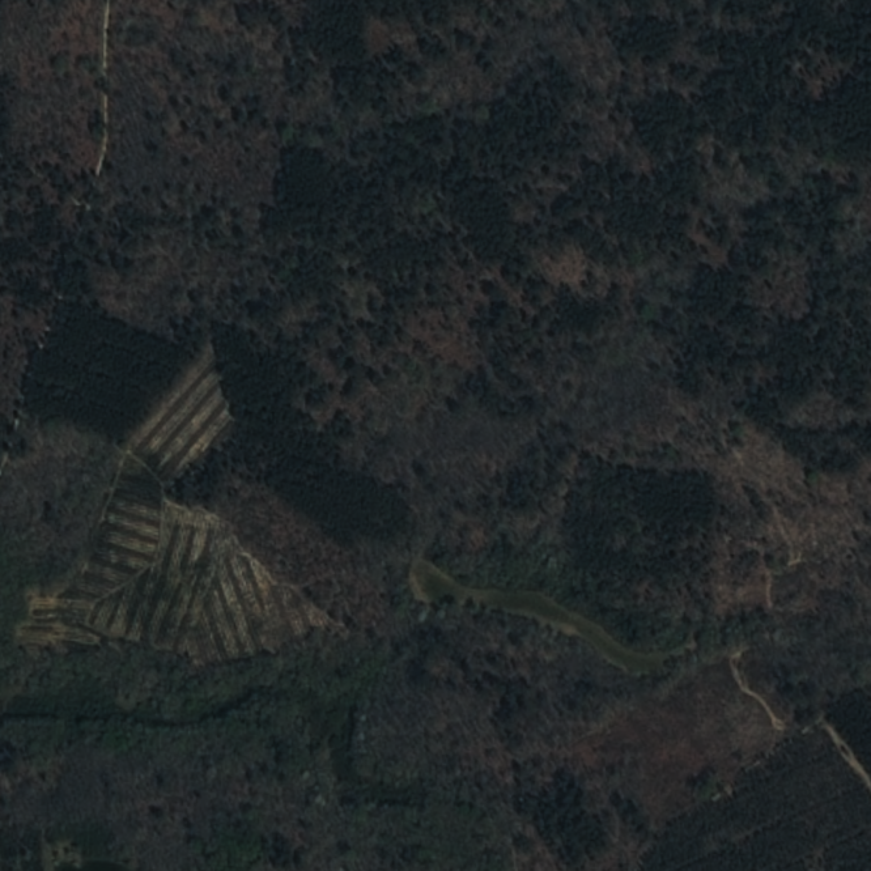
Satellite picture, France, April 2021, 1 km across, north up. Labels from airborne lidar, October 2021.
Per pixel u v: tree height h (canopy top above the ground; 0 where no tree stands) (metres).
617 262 19
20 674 18
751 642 9
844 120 27
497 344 14
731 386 20
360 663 20
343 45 23
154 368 18
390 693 19
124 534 0
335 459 16
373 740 19
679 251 21
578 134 19
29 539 15
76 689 8
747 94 17
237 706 10
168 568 0
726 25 13
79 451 21
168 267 8
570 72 15
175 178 11
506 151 22
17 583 19
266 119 14
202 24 19
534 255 13
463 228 16
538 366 15
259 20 25
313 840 13
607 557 17
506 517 7
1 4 18
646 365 16
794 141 33
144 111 17
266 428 18
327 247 23
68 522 7
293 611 0
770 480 7
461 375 18
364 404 8
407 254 24
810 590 6
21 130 6
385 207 15
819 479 13
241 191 9
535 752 17
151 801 12
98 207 15
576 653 18
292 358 15
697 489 14
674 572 17
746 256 18
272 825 8
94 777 15
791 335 19
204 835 14
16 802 12
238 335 20
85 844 9
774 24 7
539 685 17
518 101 23
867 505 6
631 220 21
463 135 28
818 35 17
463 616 14
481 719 16
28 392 19
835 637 19
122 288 7
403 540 15
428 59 23
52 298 12
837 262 24
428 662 22
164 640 0
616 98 17
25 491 16
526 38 15
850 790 13
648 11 19
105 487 18
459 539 12
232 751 22
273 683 17
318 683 22
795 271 9
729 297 22
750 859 11
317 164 16
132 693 15
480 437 13
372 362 10
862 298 8
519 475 11
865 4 9
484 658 10
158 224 15
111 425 22
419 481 13
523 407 17
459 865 22
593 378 23
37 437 18
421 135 17
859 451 19
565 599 9
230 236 17
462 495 12
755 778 11
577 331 17
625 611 8
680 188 22
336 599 11
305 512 20
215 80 11
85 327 21
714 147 10
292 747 19
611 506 18
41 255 7
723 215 14
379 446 15
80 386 22
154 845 18
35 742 17
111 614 0
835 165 19
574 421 16
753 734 0
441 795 20
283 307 23
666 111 22
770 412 17
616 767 6
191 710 24
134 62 12
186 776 12
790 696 22
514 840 19
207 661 0
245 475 9
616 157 11
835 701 16
